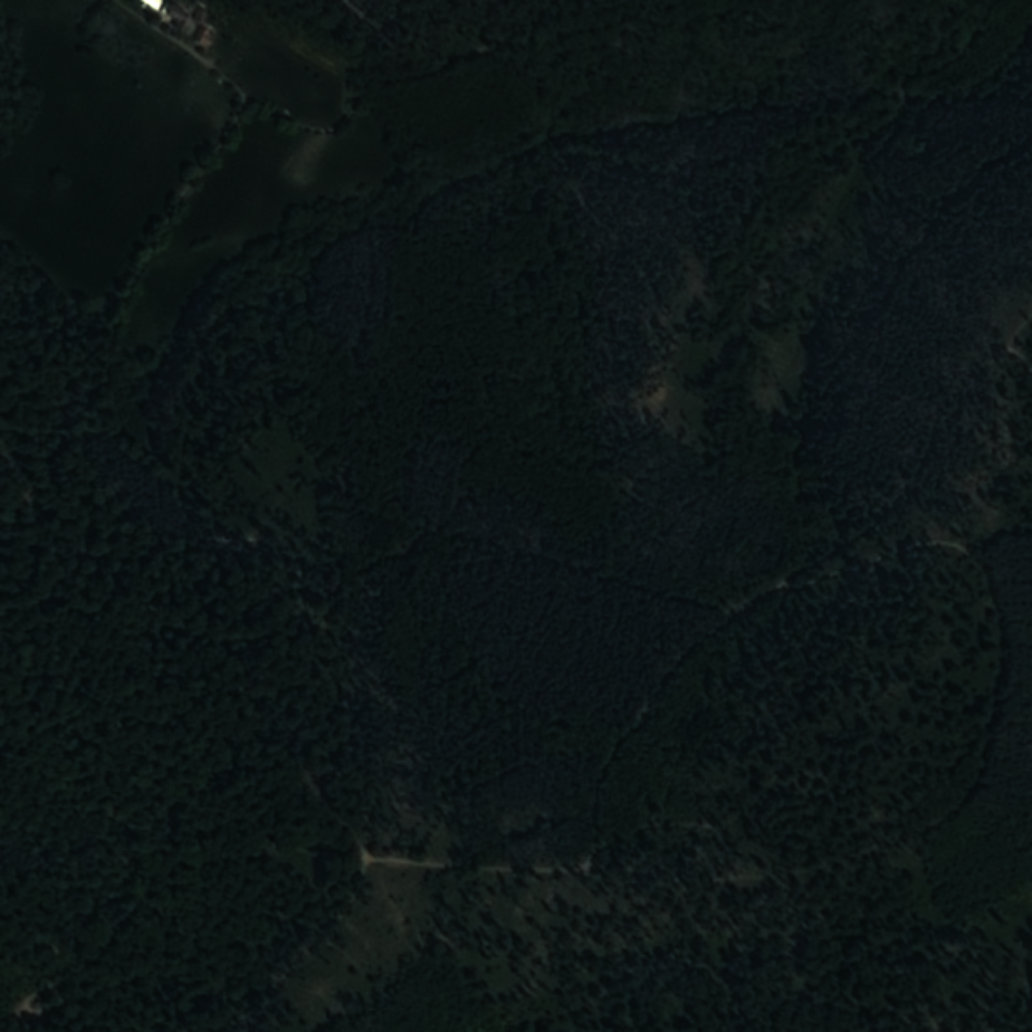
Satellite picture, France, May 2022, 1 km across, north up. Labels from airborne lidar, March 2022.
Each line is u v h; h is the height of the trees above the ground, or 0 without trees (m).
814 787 18
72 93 0
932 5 30
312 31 19
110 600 36
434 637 16
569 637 23
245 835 29
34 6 0
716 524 17
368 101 11
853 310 22
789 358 0
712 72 21
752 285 25
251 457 0
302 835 32
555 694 24
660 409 0
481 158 22
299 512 0
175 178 0
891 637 33
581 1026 34
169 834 26
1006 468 32
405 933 0
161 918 32
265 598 32
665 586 15
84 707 30
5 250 23
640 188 26
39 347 34
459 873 10
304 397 28
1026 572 19
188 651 31
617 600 21
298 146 0
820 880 12
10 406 37
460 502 21
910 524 28
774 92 22
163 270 0
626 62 20
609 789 12
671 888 22
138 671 36
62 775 32
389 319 22
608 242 21
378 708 25
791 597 8
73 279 0
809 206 26
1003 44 13
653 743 6
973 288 22
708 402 26
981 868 9
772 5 12
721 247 19
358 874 32
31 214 0
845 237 0
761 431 32
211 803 28
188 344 22
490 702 18
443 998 8
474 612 23
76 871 27
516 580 23
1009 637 14
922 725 12
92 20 10
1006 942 0
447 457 22
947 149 34
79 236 0
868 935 25
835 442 32
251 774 35
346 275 26
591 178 18
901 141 29
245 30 0
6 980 26
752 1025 32
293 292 26
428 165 22
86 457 29
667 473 20
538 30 26
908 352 25
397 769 0
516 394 10
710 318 8
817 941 27
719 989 32
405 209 21
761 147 29
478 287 14
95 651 34
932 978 23
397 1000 12
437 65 16
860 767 27
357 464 17
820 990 29
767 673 30
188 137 0
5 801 28
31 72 0
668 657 20
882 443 28
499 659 21
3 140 13
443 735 16
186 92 0
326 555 17
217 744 34
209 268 0
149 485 31
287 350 25
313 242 23
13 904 29
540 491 17
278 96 0
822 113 23
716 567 14
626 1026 38
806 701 29
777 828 21
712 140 25
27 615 38
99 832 25
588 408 21
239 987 32
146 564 35
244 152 0
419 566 14
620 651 21
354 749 33
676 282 25
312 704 34
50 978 30
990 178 21
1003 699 21
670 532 16
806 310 0
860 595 27
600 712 22
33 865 28
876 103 28
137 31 0
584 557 30
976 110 25
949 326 22
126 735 34
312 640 34
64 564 37
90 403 31
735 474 16
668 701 9
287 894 30
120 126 0
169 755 32
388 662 20
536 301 28
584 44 16
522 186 26
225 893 31
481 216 23
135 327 0
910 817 7
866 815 16
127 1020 32
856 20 21
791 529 17
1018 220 22
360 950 0
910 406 22
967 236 23
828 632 16
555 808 19
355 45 27
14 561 35
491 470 19
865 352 26
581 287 28
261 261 20
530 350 14
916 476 24
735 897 24
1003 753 21
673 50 16
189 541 37
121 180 0
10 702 29
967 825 11
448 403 17
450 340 16
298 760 27
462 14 29
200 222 0
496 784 20
